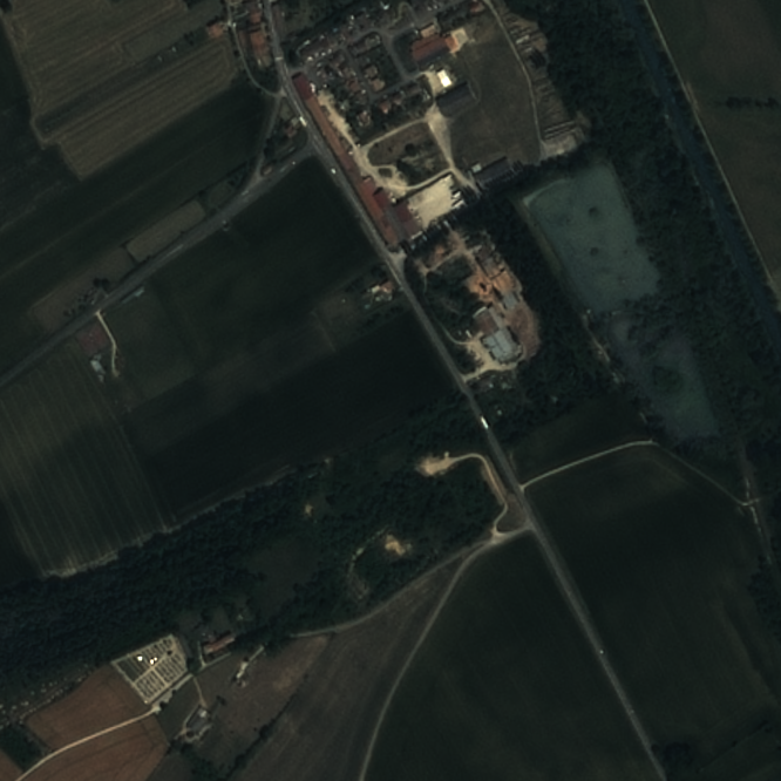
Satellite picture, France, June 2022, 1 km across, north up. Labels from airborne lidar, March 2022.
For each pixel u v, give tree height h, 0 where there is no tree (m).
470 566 0
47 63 0
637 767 0
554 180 0
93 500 0
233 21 0
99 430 0
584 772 0
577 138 0
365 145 0
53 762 0
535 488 0
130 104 0
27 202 0
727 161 0
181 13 0
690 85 0
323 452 0
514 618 0
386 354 0
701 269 0
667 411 0
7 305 0
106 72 0
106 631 12
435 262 0
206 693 0
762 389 0
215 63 0
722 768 0
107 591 17
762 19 0
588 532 0
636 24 0
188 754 12
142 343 0
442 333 7
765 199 0
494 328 0
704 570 0
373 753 0
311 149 0
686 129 0
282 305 0
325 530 12
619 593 0
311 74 0
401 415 0
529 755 0
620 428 0
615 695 0
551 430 0
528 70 0
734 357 0
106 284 8
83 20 0
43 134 0
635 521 0
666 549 0
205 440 0
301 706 0
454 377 0
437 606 0
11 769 0
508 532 0
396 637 0
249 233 0
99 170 0
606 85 13
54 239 0
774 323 0
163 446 0
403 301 0
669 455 0
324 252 0
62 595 19
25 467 0
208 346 0
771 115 0
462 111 0
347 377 0
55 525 0
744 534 0
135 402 0
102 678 0
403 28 0
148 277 0
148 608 14
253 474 0
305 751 0
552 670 0
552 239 0
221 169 0
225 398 0
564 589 0
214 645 0
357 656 0
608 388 16
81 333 0
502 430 12
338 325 0
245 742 0
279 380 0
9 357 0
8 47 0
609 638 0
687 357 0
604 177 0
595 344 0
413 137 0
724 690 0
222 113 0
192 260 0
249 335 0
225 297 0
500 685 0
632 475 0
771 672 0
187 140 0
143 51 0
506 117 0
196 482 0
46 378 0
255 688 0
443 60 0
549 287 32
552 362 8
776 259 0
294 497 7
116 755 0
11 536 0
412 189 0
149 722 0
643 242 11
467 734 0
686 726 0
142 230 0
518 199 0
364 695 0
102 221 0
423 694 0
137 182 0
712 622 0
